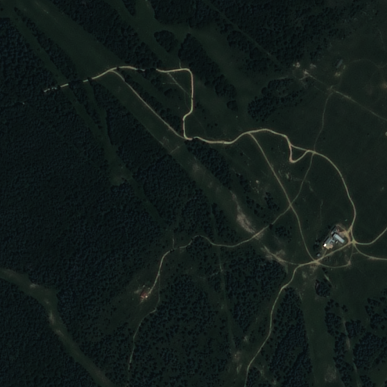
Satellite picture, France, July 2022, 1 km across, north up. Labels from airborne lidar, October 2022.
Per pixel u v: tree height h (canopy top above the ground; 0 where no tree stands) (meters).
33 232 17
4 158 22
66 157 21
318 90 0
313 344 0
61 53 14
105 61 0
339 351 15
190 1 25
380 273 0
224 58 0
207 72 12
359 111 0
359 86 0
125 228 21
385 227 0
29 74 10
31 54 15
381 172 0
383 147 0
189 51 9
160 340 13
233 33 12
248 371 0
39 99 20
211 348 9
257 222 0
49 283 18
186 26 0
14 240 21
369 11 0
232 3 15
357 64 0
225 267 6
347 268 0
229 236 9
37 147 21
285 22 9
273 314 0
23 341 17
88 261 16
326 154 0
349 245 0
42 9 0
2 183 19
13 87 19
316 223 0
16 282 0
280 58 13
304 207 0
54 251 14
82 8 18
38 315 11
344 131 0
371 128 0
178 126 7
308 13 11
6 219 19
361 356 14
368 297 0
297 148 0
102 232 21
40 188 23
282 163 0
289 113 0
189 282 6
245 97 0
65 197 11
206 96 0
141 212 17
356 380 0
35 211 22
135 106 0
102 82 0
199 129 0
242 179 14
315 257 0
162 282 0
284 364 9
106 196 20
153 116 0
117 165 0
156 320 11
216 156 14
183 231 8
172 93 10
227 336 7
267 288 13
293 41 10
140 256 7
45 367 13
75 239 18
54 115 22
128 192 19
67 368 11
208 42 0
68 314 11
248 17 22
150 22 0
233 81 0
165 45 16
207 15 15
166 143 0
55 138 25
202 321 8
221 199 0
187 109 0
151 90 0
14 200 22
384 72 0
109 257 13
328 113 0
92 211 16
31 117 25
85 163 16
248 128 0
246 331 9
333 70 0
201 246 10
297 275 0
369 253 0
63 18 0
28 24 7
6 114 25
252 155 0
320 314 0
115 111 19
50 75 22
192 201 9
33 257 19
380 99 0
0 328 13
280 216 0
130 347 9
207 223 17
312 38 10
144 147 16
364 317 0
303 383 11
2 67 14
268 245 0
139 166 12
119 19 22
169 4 20
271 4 14
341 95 0
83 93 19
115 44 24
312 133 0
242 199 0
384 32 0
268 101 13
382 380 0
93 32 26
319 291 14
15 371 12
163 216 14
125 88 0
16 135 17
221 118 0
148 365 13
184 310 14
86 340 9
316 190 0
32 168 16
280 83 11
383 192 0
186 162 0
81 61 0
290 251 0
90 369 0
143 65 15
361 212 0
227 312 0
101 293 8
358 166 0
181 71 0
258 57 13
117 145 17
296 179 0
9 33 23
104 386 0
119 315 0
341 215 0
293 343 16
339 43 0
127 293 0
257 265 7
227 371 6
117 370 12
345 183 0
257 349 0
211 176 0
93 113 17
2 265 14
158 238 7
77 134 23
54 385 9
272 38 17
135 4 15
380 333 0
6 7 0
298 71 0
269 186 0
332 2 0
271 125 0
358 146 0
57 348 15
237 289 17
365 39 0
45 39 19
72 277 23
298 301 8
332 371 0
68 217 23
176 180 16
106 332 0
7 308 19
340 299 0
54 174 19
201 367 9
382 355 7
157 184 15
